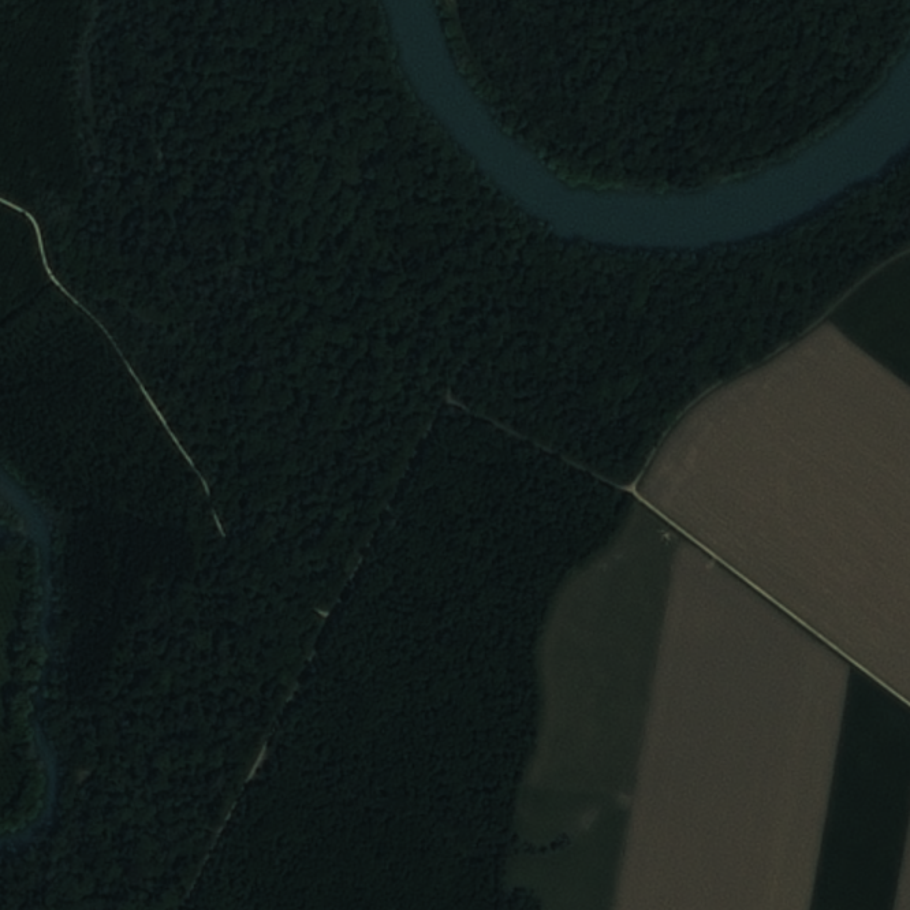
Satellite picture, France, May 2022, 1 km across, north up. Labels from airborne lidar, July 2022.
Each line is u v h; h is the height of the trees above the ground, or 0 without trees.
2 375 16
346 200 29
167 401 6
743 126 26
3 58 6
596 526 19
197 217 24
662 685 0
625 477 19
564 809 0
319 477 20
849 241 21
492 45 15
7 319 7
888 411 0
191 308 24
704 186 13
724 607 0
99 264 15
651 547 0
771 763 0
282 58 29
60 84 7
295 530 13
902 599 0
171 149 20
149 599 19
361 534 18
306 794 16
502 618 21
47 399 13
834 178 0
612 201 0
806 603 0
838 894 0
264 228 18
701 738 0
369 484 23
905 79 0
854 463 0
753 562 0
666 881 0
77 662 23
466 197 7
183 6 22
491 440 21
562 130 19
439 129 13
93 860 29
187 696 15
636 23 14
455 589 12
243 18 29
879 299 0
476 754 19
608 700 0
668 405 22
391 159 29
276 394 28
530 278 22
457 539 21
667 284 21
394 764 21
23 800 14
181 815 25
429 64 0
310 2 30
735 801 0
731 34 16
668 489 0
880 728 0
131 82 25
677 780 0
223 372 15
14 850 10
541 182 0
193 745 27
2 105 7
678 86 25
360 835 18
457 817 19
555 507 20
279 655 29
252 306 25
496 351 22
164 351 6
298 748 17
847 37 22
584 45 14
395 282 24
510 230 20
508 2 21
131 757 24
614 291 27
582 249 15
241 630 26
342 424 23
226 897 17
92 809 20
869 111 0
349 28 18
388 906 17
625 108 17
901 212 27
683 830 0
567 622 0
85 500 11
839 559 0
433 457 21
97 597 28
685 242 0
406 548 19
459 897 16
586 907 0
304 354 25
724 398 0
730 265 24
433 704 20
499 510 19
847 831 0
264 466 24
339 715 20
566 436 22
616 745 0
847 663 0
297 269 29
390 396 15
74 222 9
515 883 0
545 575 19
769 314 16
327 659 19
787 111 16
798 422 0
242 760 20
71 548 22
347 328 28
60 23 10
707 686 0
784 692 0
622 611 0
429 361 12
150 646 22
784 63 20
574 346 23
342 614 20
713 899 0
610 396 24
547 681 0
